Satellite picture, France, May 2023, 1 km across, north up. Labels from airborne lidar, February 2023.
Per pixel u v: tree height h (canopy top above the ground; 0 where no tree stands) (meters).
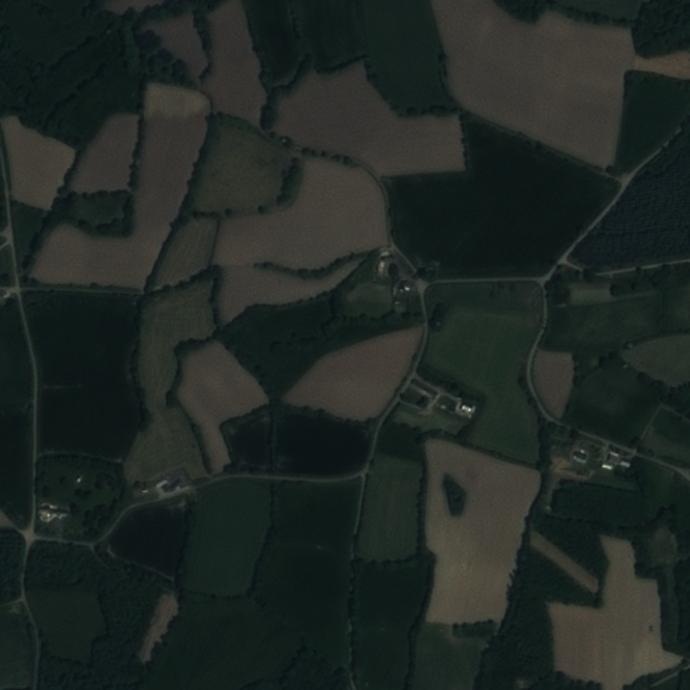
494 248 0
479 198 0
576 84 0
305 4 0
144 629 13
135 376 10
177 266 0
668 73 0
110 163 0
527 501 0
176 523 0
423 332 0
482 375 0
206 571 0
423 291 0
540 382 0
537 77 0
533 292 0
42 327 0
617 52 0
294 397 0
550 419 0
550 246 0
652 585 0
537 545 0
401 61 0
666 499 0
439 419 0
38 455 0
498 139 0
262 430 0
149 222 0
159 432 0
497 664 13
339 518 0
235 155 0
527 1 19
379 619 0
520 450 0
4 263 0
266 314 11
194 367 0
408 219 0
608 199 0
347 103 0
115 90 0
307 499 0
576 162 0
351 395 0
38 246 12
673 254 14
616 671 0
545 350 0
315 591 0
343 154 0
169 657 0
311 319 0
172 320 0
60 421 0
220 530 0
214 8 12
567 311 0
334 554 0
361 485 0
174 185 0
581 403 0
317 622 0
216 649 0
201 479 0
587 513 15
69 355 0
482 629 10
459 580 0
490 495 0
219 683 0
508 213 0
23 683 0
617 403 0
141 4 0
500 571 0
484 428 0
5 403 0
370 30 0
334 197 0
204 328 0
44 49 0
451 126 0
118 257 0
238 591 0
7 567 15
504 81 0
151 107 0
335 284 0
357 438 0
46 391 0
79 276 0
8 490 0
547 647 14
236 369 0
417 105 0
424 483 10
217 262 0
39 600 0
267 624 0
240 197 0
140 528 0
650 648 0
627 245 13
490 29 0
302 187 0
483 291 0
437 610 0
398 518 0
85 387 0
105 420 0
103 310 0
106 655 17
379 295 0
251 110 0
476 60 0
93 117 0
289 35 0
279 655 0
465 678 0
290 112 0
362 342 0
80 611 0
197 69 0
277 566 0
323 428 0
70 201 13
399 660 0
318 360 0
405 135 0
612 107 0
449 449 0
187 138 0
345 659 0
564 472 0
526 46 0
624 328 0
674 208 11
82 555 12
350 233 0
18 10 0
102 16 16
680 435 0
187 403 0
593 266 14
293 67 0
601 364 10
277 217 0
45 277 0
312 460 0
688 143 8
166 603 0
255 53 14
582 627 0
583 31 0
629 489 0
